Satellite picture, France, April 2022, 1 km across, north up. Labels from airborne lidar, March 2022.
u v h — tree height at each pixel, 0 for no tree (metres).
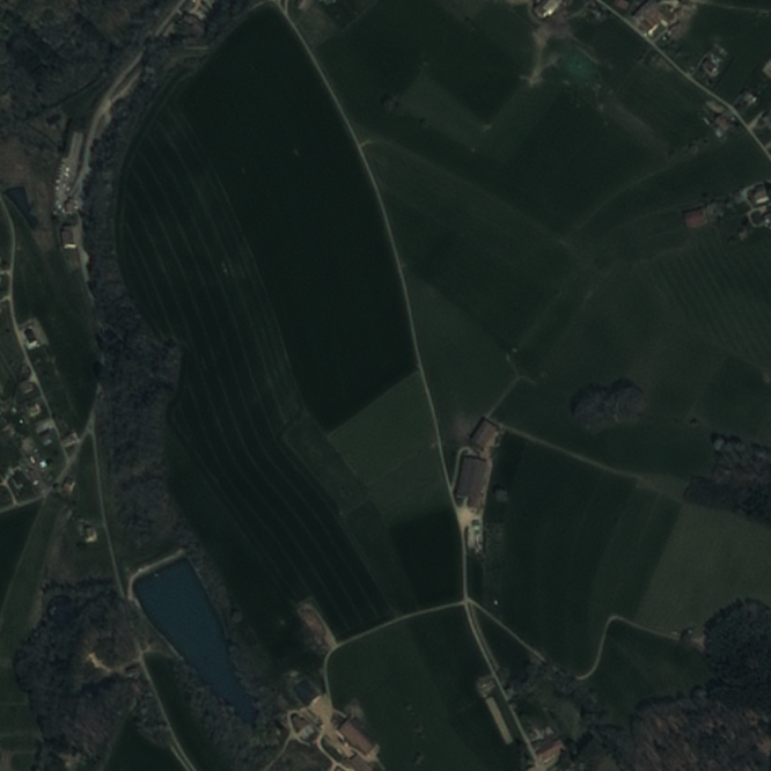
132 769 0
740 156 0
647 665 0
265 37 0
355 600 0
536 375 0
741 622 19
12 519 0
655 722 21
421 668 0
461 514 0
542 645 0
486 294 0
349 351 0
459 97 0
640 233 0
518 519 0
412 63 0
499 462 0
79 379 0
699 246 0
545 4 0
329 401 0
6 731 0
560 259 0
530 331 0
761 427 0
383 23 0
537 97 0
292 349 0
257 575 0
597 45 0
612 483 0
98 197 24
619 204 0
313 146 0
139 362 27
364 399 0
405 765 0
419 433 0
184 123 0
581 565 0
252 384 0
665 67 0
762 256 0
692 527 0
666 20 0
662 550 0
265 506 0
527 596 0
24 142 0
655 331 0
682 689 0
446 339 0
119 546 0
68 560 0
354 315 0
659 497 0
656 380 0
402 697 0
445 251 0
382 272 0
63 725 26
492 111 0
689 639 15
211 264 0
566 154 0
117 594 15
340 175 0
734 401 0
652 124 0
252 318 0
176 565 0
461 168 0
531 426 0
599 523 0
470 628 0
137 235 0
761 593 0
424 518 0
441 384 0
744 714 22
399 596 0
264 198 0
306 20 0
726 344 0
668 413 0
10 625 0
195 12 0
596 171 0
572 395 0
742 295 0
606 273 0
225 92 0
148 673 0
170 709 0
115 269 19
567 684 15
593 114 0
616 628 0
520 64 0
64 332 0
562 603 0
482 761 0
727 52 0
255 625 0
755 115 0
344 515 0
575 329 0
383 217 0
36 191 0
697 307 0
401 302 0
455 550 0
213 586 20
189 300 0
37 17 0
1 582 0
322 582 0
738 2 0
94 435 0
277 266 0
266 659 0
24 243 0
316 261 0
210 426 0
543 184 0
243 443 0
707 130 0
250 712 0
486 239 0
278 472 0
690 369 0
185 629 0
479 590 0
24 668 24
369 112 0
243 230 0
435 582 0
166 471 0
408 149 0
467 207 0
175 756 0
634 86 0
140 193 0
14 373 0
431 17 0
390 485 0
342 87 0
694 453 0
